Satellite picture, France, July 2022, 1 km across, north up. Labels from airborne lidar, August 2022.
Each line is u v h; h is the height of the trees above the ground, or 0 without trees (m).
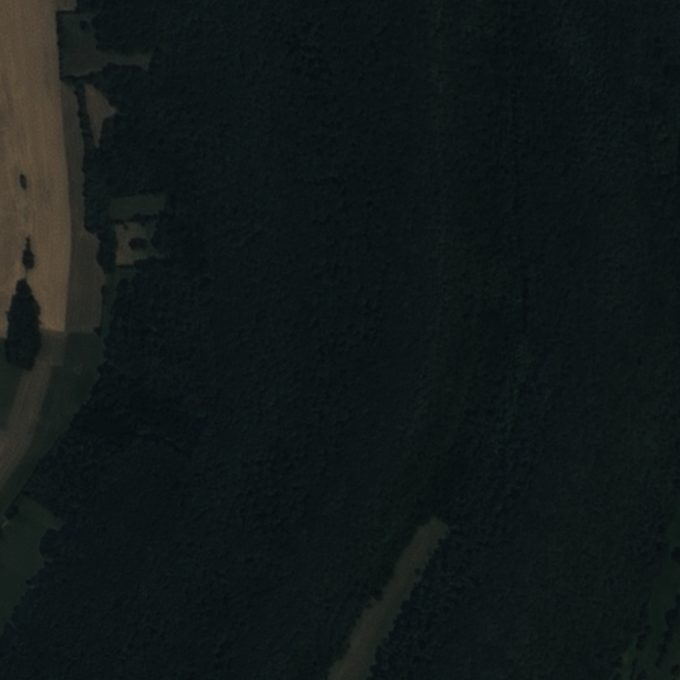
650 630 13
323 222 22
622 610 20
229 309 18
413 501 19
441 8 16
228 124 19
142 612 25
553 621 13
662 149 14
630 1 21
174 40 9
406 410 9
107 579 22
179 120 15
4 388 0
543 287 25
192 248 14
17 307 19
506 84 20
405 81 23
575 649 15
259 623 17
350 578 16
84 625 21
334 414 23
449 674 19
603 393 13
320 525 19
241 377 21
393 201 22
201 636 25
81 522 26
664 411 12
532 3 15
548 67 18
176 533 19
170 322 18
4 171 0
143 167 15
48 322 0
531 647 9
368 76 22
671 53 26
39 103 0
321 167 23
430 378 10
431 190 9
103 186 8
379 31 24
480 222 20
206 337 19
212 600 26
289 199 19
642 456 13
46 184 0
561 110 18
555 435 12
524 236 23
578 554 12
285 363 19
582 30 10
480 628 16
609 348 13
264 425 22
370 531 15
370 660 0
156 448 30
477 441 8
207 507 23
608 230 8
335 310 26
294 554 22
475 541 17
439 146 9
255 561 26
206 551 21
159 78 18
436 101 6
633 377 18
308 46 24
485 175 25
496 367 11
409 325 15
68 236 0
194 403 25
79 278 0
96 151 14
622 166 10
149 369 24
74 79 12
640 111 21
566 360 17
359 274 24
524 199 26
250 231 12
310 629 17
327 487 24
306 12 23
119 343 23
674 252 22
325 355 25
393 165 19
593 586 13
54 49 0
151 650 21
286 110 25
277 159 15
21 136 0
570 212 20
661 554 24
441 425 22
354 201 24
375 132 24
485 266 9
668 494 23
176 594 20
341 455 25
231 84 17
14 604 0
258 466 18
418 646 25
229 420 20
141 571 23
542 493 18
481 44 19
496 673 14
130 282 16
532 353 14
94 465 26
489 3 28
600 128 7
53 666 20
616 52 16
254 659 17
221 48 17
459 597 19
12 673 23
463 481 14
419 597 21
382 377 21
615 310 12
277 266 17
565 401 13
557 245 19
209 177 25
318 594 9
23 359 22
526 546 11
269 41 20
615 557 13
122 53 7
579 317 21
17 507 7
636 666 10
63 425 0
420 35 14
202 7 17
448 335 19
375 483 10
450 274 15
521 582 13
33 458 0
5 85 0
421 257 12
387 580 11
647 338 16
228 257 22
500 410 15
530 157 23
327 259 19
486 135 19
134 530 22
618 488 17
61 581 24
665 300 18
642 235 19
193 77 20
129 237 0
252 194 16
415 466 22
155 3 17
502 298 14
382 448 12
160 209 0
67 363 0
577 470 13
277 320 18
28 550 0
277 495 22
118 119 16
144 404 15
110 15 17
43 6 0
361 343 26
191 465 21
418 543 0
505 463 21
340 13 23
